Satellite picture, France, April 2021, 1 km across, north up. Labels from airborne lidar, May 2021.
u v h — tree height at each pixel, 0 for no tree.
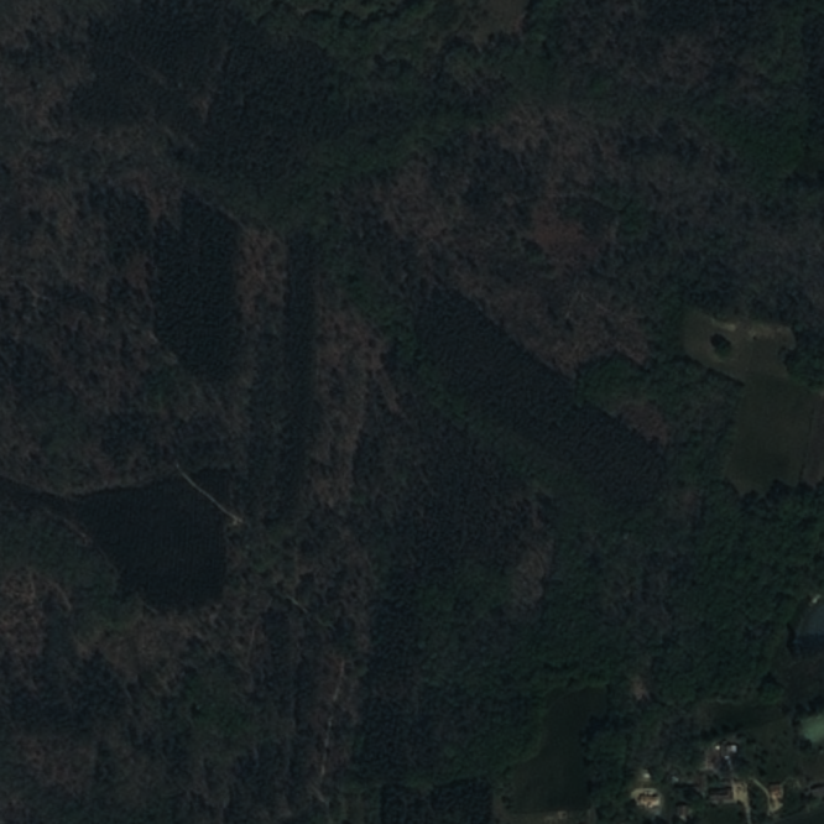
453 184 14
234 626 15
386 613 16
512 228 11
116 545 10
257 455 23
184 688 12
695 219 9
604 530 16
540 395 22
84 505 9
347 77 24
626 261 9
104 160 16
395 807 20
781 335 0
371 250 22
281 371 23
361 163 29
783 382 0
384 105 26
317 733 16
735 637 20
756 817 10
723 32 9
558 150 14
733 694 22
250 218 12
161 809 18
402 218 10
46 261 14
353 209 24
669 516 18
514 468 19
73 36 7
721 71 7
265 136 26
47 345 14
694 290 19
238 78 21
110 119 17
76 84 9
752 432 0
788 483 0
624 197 14
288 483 23
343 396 16
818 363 20
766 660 20
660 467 19
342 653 9
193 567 8
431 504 17
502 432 22
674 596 15
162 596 10
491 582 18
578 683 20
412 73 20
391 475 19
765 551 22
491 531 19
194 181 16
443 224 13
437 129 22
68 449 17
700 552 21
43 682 7
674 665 16
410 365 21
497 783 12
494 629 15
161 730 15
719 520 16
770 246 13
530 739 19
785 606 25
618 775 18
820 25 22
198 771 13
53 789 10
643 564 19
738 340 0
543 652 26
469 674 19
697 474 18
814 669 0
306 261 23
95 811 16
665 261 17
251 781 22
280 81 21
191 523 10
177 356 20
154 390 18
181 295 20
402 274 17
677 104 19
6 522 17
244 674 8
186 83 16
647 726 15
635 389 17
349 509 14
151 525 9
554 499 10
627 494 20
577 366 6
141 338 11
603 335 6
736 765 22
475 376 19
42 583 6
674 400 14
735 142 21
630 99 22
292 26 18
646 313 13
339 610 17
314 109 24
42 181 10
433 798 8
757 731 0
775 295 14
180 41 19
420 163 15
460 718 26
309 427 23
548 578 14
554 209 15
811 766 0
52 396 15
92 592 18
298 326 24
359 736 16
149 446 18
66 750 9
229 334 20
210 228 20
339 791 12
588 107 21
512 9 0
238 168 25
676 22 15
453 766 16
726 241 13
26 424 8
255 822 15
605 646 21
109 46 16
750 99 18
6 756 19
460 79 15
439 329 21
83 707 22
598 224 7
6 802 11
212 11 20
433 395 22
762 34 18
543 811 0
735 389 12
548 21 22
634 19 16
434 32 0
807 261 15
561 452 20
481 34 0
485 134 19
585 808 0
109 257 14
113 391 9
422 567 14
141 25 19
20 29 9
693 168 14
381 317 14
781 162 23
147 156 15
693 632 17
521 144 17
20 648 8
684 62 11
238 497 11
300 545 17
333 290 17
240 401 15
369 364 17
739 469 0
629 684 20
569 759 0
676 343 9
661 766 8
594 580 17
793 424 0
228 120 23
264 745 11
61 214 13
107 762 21
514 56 21
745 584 22
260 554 21
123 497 10
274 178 25
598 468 19
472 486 15
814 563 17
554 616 25
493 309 10
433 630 18
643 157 16
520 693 22
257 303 9
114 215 16
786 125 21
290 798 9
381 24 19
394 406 9
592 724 0
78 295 9
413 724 13
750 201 15
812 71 17
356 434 16
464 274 9
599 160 15
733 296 24
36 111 11
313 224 20
